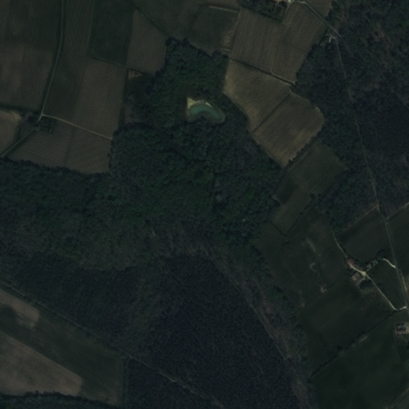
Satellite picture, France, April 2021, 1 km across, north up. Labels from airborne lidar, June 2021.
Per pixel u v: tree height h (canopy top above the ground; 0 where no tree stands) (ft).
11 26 0
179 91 62
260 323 59
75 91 0
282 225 0
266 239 0
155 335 50
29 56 0
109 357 0
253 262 79
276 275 0
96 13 0
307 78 70
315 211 0
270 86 0
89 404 54
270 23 0
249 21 0
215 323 63
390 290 0
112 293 29
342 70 65
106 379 0
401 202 67
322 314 0
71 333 0
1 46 0
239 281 70
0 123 0
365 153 51
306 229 0
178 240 74
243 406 66
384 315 0
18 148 0
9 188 60
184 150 53
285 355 58
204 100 0
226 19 0
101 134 0
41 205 59
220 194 40
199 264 59
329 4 0
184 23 0
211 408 60
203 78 74
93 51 0
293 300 0
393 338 0
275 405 62
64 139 0
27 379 0
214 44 0
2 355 0
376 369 0
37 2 0
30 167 53
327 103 76
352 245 0
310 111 0
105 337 49
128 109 0
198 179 87
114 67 0
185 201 76
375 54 77
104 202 76
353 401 0
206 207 84
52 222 73
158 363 57
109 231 75
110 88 0
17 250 19
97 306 34
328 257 0
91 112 0
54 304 24
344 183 55
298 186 0
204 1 0
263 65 0
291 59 0
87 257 73
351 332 0
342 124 72
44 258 25
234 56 0
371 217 0
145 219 57
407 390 0
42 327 0
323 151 0
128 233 72
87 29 0
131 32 0
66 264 32
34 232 54
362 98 42
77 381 0
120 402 0
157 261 47
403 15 79
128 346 37
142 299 21
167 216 68
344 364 0
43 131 0
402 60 75
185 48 72
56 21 0
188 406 60
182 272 52
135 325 34
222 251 65
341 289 0
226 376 58
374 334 0
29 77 0
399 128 75
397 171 74
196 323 54
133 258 68
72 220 79
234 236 100
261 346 63
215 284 56
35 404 41
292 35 0
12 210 56
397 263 0
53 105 0
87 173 0
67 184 58
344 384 0
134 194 66
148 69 0
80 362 0
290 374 53
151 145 94
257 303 78
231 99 23
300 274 0
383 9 77
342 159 58
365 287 67
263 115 0
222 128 59
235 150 68
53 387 0
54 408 56
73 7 0
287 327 75
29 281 35
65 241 80
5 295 0
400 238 0
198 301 58
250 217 59
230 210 86
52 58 0
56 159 0
